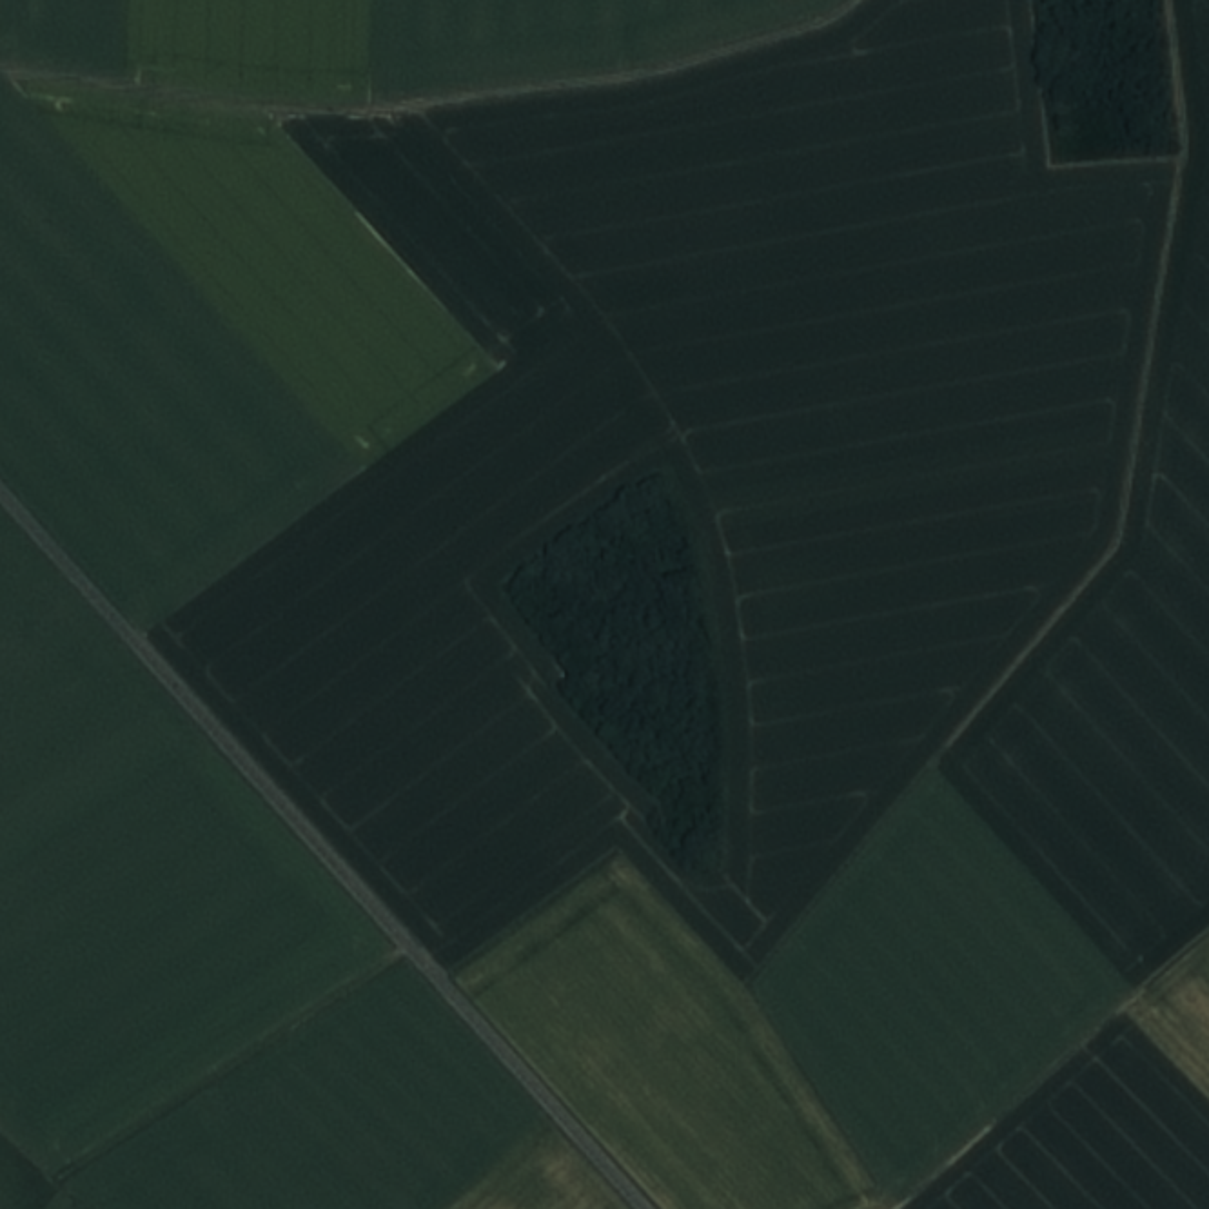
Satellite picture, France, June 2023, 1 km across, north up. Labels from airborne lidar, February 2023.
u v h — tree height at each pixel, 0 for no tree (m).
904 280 0
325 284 0
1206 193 0
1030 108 0
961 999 0
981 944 0
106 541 0
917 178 0
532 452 0
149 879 0
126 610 0
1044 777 0
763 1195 0
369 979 0
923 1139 0
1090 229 0
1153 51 15
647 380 0
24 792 0
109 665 0
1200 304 0
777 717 0
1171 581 0
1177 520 0
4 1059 0
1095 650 0
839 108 0
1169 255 0
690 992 0
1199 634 0
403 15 0
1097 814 0
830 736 0
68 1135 0
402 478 0
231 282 0
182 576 0
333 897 0
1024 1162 0
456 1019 0
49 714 0
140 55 0
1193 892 0
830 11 0
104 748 0
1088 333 0
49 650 0
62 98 0
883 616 0
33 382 0
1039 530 0
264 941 0
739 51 0
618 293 0
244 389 0
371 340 0
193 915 0
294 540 0
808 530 0
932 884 0
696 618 19
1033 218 0
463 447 0
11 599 0
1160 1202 0
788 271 0
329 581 0
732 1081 0
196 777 0
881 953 0
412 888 0
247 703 0
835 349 0
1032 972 0
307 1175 0
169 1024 0
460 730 0
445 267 0
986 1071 0
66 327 0
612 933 0
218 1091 0
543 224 0
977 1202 0
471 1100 0
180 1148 0
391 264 0
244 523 0
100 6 0
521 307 0
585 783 0
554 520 0
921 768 0
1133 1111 0
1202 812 0
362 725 0
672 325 0
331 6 0
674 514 14
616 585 21
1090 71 20
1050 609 0
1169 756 0
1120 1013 0
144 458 0
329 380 0
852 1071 0
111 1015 0
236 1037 0
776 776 0
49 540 0
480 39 0
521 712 0
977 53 0
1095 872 0
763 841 0
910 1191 0
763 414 0
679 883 0
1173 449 0
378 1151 0
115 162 0
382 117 0
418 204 0
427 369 0
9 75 0
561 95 0
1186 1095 0
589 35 0
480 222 0
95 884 0
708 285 0
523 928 0
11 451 0
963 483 0
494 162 0
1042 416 0
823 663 0
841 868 0
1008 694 0
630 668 21
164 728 0
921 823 0
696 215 0
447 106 0
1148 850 0
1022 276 0
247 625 0
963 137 0
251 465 0
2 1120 0
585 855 0
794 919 0
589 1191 0
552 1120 0
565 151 0
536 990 0
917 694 0
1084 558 0
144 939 0
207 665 0
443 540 0
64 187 0
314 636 0
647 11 0
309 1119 0
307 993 0
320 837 0
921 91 0
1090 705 0
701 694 17
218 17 0
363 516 0
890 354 0
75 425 0
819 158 0
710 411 0
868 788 0
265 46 0
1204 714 0
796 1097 0
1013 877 0
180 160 0
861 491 0
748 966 0
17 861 0
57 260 0
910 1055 0
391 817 0
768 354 0
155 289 0
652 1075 0
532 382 0
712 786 18
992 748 0
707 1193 0
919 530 0
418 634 0
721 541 0
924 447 0
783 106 0
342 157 0
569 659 17
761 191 0
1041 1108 0
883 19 0
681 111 0
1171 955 0
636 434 0
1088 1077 0
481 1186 0
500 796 0
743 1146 0
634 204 0
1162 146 12
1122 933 0
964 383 0
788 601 0
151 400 0
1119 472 0
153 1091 0
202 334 0
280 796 0
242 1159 0
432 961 0
